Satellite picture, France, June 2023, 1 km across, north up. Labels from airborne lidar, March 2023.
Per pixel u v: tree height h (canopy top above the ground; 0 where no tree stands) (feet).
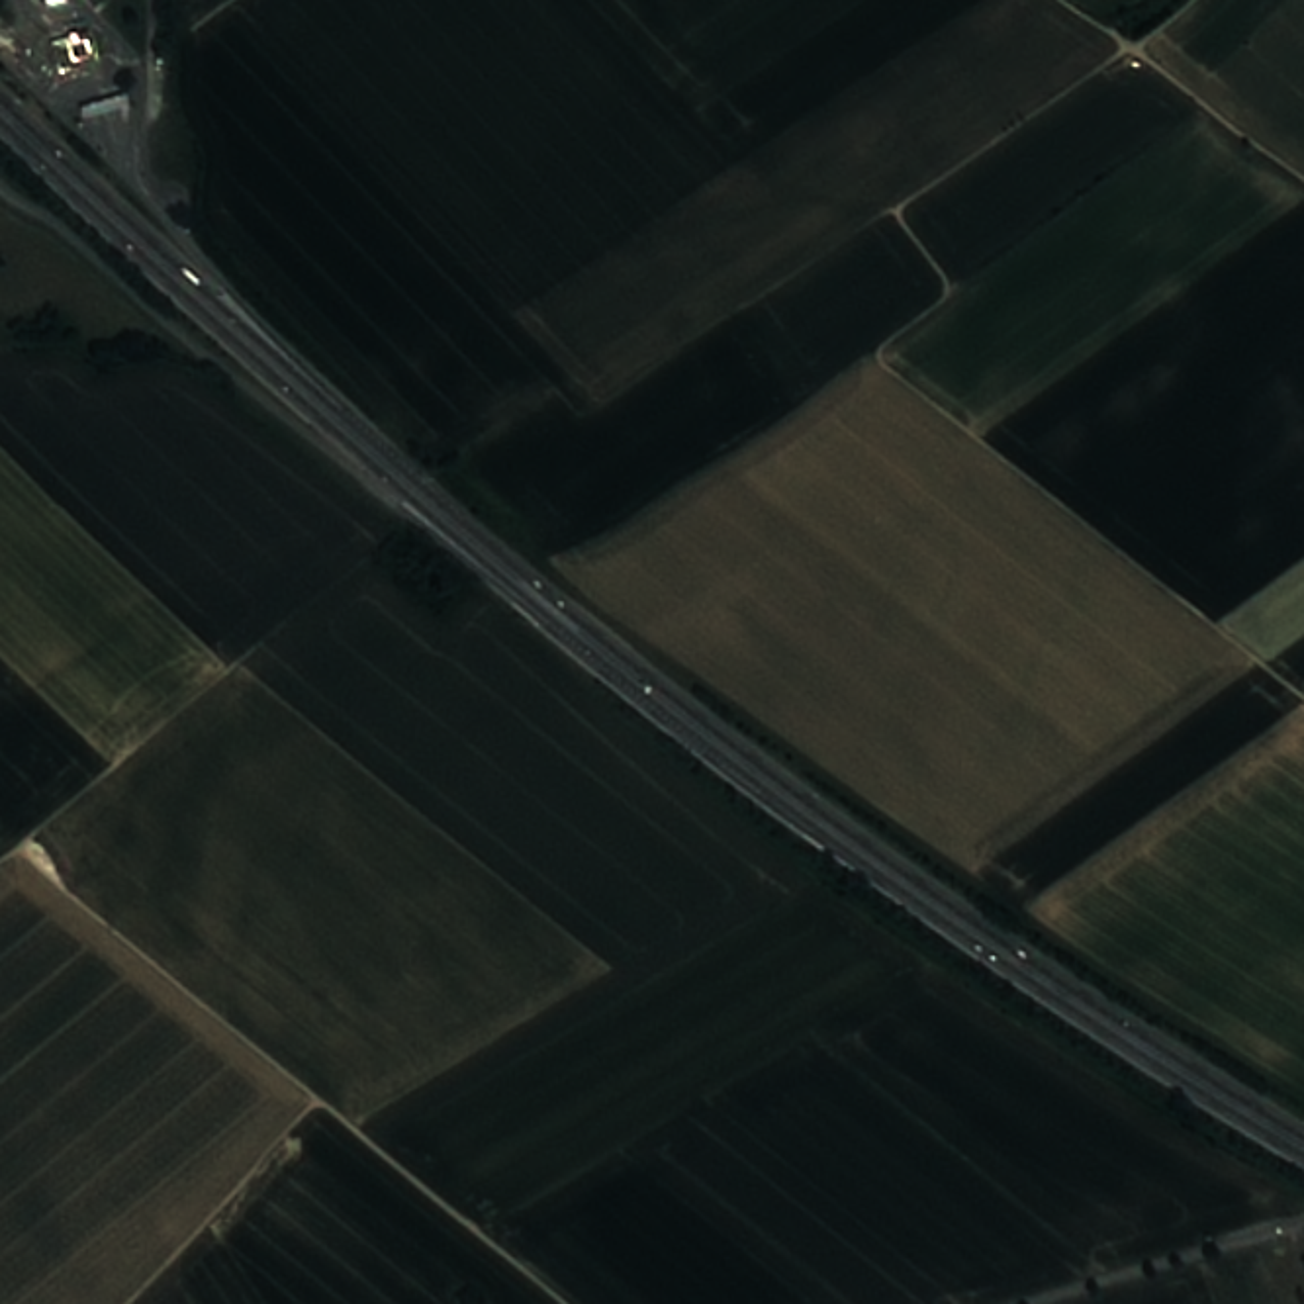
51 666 0
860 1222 0
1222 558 0
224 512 0
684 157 0
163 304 41
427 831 0
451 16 0
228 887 0
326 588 0
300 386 0
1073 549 0
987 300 0
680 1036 0
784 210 0
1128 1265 0
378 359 0
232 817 0
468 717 0
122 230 0
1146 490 0
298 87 0
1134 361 0
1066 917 0
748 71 0
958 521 0
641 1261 0
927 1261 0
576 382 0
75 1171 0
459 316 0
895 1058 0
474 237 0
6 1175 0
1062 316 0
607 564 0
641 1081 0
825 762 0
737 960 0
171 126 0
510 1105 0
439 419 0
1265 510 0
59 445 0
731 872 0
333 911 0
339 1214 0
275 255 0
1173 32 0
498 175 0
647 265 0
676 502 0
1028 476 0
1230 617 0
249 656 0
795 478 0
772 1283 0
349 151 0
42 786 0
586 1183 0
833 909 0
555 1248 0
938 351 0
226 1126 0
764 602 0
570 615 0
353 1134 0
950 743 0
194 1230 0
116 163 0
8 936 0
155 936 0
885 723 0
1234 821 0
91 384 0
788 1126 0
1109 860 0
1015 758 0
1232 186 0
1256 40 0
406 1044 0
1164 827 0
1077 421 0
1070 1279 0
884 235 0
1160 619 0
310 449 0
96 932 0
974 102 0
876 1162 0
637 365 0
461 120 0
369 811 0
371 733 0
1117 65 0
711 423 0
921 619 0
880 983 0
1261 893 0
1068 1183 0
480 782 0
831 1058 0
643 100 0
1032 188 0
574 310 0
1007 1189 0
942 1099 0
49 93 0
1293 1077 0
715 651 0
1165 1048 0
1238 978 0
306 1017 0
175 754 0
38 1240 0
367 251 0
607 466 0
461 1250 0
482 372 0
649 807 0
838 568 0
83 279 0
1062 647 0
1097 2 0
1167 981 0
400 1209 0
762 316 0
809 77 0
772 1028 0
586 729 0
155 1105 0
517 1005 0
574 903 0
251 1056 0
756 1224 0
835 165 0
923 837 0
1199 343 0
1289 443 0
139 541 0
